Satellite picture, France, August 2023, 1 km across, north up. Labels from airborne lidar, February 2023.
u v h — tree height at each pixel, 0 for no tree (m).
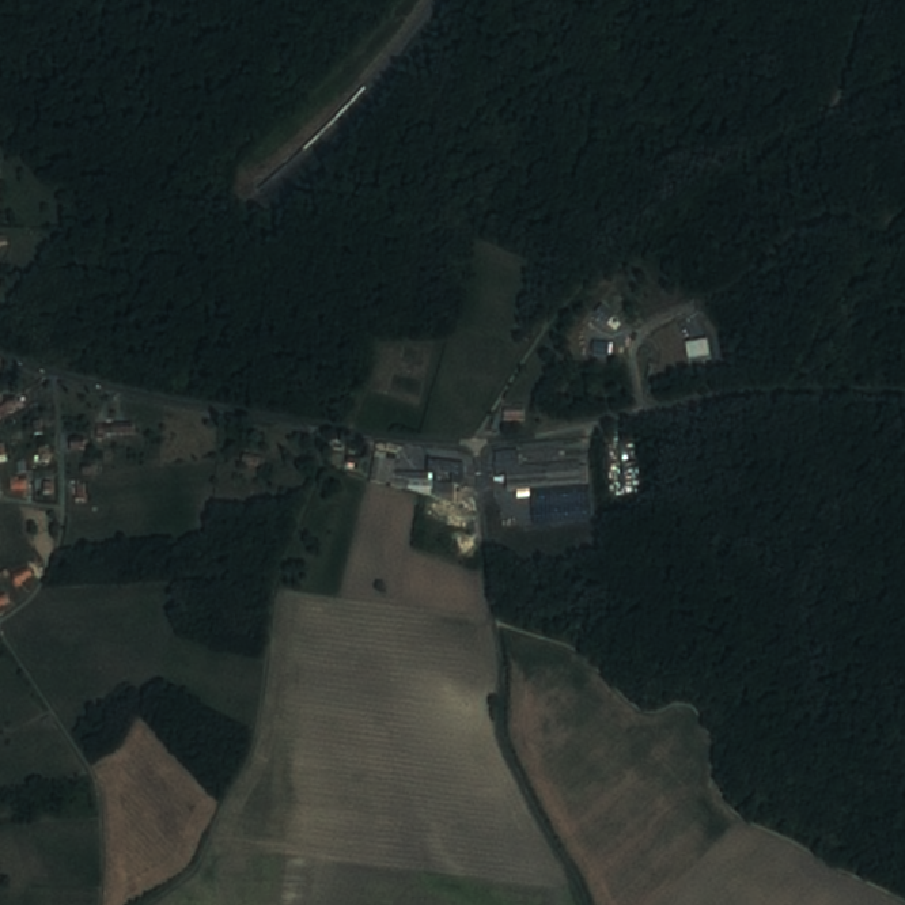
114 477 0
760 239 20
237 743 15
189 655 0
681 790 0
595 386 15
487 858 0
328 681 0
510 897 0
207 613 20
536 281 11
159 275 29
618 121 21
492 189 15
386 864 0
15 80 21
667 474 22
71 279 19
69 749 0
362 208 25
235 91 25
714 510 22
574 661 0
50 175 18
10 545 0
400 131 24
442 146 27
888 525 20
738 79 20
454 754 0
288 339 24
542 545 0
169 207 24
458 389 0
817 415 21
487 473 0
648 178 24
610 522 21
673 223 8
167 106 25
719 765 13
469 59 24
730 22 20
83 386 0
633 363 0
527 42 18
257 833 0
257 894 0
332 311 24
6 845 0
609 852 0
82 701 0
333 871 0
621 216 20
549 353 14
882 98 22
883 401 11
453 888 0
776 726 22
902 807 20
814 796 16
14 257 0
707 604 24
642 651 23
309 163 0
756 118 26
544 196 22
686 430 24
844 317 13
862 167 23
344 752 0
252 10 24
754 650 20
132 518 0
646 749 0
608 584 22
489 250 0
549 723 0
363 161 23
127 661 0
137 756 0
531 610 17
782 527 20
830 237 24
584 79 22
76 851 0
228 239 25
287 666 0
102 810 0
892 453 19
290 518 20
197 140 21
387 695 0
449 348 0
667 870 0
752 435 19
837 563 21
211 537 16
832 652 21
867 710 21
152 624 0
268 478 7
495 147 20
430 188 21
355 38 18
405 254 21
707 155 23
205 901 0
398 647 0
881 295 16
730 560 21
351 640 0
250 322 24
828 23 24
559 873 0
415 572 0
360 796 0
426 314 21
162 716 19
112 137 21
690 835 0
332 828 0
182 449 0
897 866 19
